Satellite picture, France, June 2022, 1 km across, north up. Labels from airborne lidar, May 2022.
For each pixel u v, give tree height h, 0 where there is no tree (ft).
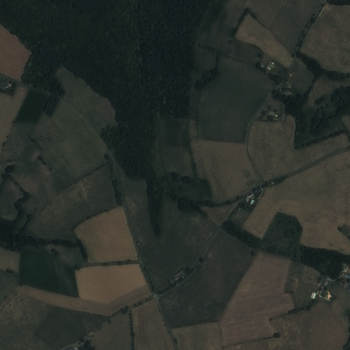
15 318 0
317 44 0
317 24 0
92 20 53
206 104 0
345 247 0
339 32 0
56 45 59
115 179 44
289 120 0
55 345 0
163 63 69
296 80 0
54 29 45
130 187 0
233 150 0
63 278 0
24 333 0
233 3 0
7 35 0
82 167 0
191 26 43
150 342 0
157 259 0
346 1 40
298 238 0
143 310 0
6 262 0
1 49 0
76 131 0
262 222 0
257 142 0
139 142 43
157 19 58
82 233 0
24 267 0
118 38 44
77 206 0
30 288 0
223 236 0
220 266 0
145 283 0
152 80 94
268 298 0
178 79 50
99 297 0
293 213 0
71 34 48
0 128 0
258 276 0
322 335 0
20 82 0
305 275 0
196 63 0
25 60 0
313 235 0
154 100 64
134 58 65
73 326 0
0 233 72
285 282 0
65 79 0
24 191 24
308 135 0
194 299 0
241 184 0
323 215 0
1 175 0
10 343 0
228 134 0
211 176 0
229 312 0
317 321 0
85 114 0
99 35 48
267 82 0
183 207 71
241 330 0
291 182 0
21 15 42
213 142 0
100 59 49
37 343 0
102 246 0
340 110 70
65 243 49
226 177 0
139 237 0
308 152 0
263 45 0
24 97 0
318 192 0
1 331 0
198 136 0
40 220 0
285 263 0
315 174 0
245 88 0
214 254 0
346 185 0
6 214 0
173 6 32
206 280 0
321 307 0
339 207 0
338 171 0
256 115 0
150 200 40
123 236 0
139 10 79
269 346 0
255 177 0
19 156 0
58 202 0
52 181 0
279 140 0
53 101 58
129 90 46
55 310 0
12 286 0
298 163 0
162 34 59
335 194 0
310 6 0
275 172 0
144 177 48
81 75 57
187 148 0
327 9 0
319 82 0
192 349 0
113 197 0
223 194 0
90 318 0
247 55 0
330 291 0
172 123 0
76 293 0
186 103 52
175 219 0
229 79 0
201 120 0
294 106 72
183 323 0
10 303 0
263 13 0
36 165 0
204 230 0
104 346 0
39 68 49
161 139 0
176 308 0
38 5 43
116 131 26
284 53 0
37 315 0
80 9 72
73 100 0
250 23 0
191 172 0
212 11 0
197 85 40
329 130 0
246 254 0
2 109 0
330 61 0
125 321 0
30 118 0
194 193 0
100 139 0
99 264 0
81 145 0
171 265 0
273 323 0
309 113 0
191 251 0
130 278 0
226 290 0
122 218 0
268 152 0
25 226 24
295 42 0
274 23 0
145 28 64
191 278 0
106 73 54
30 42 56
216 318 0
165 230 0
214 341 0
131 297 0
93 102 0
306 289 0
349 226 0
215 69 30
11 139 0
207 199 0
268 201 0
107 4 56
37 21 49
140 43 73
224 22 0
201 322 0
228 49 0
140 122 47
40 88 42
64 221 0
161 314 0
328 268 45
